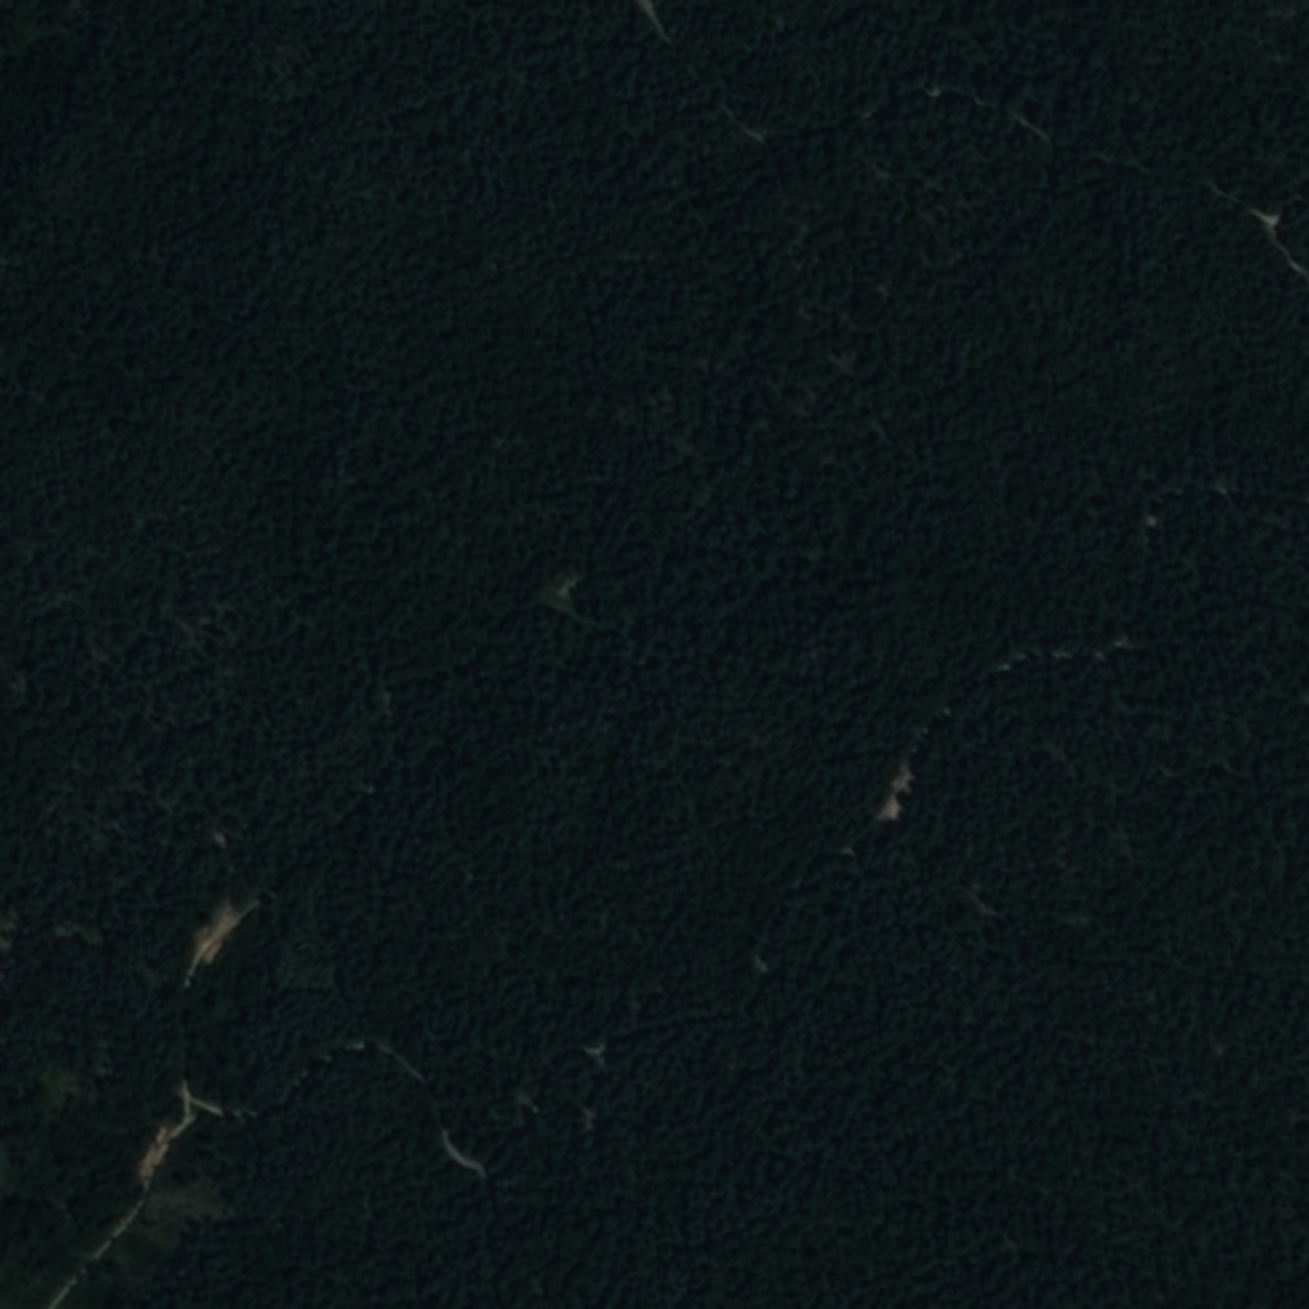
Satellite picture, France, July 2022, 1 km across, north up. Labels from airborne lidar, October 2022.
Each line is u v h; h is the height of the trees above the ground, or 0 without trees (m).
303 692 13
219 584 21
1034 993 23
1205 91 17
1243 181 17
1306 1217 18
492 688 25
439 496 21
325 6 25
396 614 17
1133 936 18
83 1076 11
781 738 11
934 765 22
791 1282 23
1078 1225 15
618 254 19
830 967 33
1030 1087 19
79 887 25
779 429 18
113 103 17
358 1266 21
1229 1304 6
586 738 25
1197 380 10
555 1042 25
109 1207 22
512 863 23
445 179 16
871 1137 25
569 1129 26
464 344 24
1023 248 31
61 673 23
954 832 14
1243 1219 17
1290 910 15
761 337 26
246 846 7
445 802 24
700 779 10
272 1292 20
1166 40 16
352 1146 13
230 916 0
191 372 23
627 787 16
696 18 18
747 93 24
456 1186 17
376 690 31
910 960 23
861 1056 19
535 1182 20
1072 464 23
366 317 15
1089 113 31
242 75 18
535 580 21
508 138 24
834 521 20
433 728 12
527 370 11
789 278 14
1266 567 12
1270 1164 18
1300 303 19
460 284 12
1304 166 20
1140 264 24
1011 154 12
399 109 30
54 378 6
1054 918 16
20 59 8
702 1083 19
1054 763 22
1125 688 25
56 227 12
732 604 21
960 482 17
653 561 31
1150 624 22
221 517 12
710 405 26
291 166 20
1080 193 20
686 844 20
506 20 24
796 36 21
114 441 23
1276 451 20
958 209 19
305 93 10
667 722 8
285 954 28
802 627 28
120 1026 30
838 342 13
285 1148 26
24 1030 31
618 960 14
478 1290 25
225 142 24
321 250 20
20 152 12
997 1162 21
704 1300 23
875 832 7
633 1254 23
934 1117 22
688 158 21
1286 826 25
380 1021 21
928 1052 24
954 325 15
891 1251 19
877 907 25
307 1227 11
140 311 13
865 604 10
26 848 21
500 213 24
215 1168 20
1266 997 18
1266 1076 18
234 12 22
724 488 22
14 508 23
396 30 23
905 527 16
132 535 18
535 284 13
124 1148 15
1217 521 26
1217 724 24
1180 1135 16
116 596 19
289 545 12
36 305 16
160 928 24
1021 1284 22
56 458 20
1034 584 17
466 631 27
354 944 28
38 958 31
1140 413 12
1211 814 20
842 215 15
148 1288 9
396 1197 15
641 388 20
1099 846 15
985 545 25
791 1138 28
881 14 12
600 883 21
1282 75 15
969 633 21
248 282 15
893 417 8
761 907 19
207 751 23
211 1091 15
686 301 17
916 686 18
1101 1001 12
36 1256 8
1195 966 17
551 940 8
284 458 17
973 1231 22
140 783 16
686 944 21
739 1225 31
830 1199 16
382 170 14
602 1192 16
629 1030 22
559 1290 22
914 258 13
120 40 21
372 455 6
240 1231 22
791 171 17
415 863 13
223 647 21
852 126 19
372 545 6
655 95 22
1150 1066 12
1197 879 21
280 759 8
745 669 25
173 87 7
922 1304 13
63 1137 21
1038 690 23
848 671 21
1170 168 19
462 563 15
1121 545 14
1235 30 14
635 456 25
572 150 30
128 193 11
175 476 14
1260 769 23
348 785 27
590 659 15
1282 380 12
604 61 26
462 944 14
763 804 17
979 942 24
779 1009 24
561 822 26
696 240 17
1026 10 13
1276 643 14
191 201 17
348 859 15
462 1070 12
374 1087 22
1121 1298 22
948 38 21
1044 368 16
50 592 27
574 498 21
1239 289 10
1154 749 23
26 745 25
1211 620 22
